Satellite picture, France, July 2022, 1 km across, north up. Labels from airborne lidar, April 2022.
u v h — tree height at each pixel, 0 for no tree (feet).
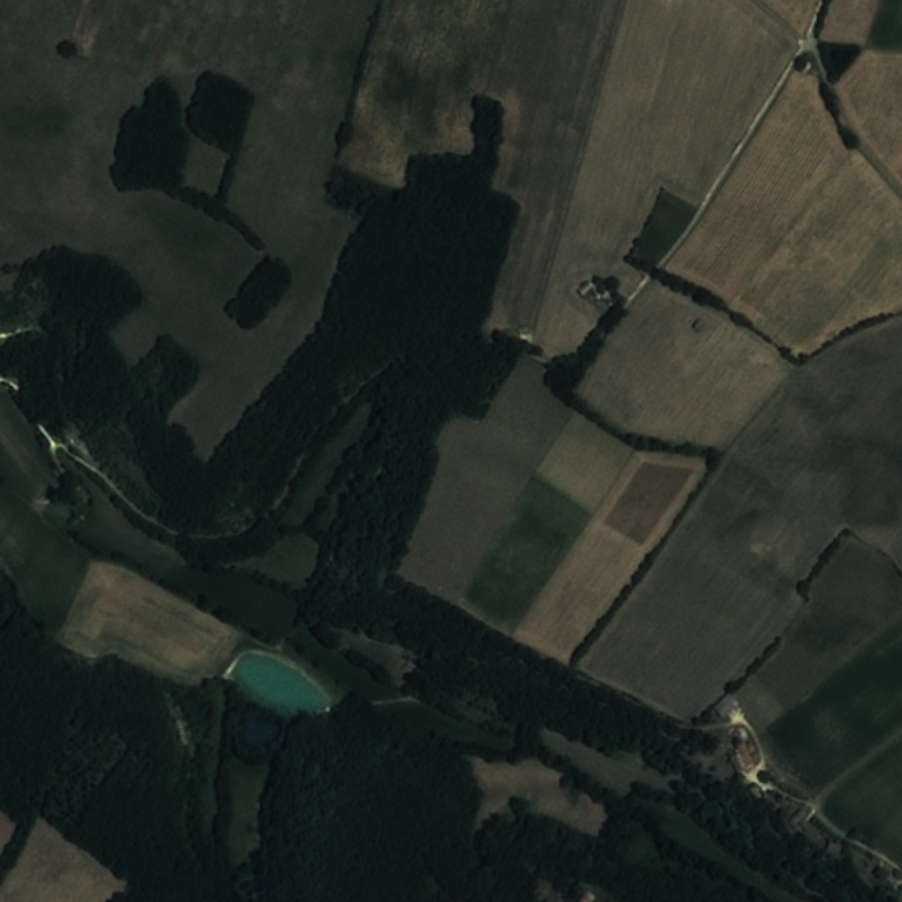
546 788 0
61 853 0
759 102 0
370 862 46
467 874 55
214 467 35
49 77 0
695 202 0
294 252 0
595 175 0
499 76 0
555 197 0
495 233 44
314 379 51
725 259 0
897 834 0
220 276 0
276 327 0
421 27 0
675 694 0
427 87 0
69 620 0
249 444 46
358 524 49
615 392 0
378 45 0
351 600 35
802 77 0
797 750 0
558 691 37
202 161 0
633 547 0
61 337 52
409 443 27
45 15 0
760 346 0
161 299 0
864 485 0
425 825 42
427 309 44
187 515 41
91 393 43
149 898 53
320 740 52
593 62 0
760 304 0
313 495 0
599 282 31
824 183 0
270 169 0
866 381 0
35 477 0
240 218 33
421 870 20
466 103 0
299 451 76
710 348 0
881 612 0
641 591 0
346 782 33
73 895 0
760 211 0
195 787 48
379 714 29
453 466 0
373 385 35
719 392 0
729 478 0
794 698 0
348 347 44
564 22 0
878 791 0
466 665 60
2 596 36
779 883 52
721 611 0
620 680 0
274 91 0
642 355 0
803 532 0
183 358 34
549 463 0
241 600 0
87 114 0
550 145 0
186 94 0
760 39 0
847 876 53
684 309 0
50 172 0
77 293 62
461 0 0
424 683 49
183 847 58
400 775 45
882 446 0
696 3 0
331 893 28
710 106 0
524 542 0
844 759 0
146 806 36
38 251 0
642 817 48
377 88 0
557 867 51
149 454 39
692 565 0
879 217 0
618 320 39
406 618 65
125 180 46
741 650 0
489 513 0
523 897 42
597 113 0
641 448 42
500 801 0
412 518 33
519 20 0
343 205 46
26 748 49
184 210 0
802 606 0
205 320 0
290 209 0
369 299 56
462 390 38
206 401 0
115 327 26
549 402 0
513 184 0
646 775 0
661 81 0
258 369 0
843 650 0
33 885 0
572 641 0
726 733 0
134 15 0
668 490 0
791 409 0
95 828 58
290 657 0
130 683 52
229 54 0
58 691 38
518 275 0
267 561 0
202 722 30
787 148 0
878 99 0
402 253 61
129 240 0
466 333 37
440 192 43
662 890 77
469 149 0
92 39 0
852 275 0
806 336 0
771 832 18
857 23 0
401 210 73
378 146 0
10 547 0
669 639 0
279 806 57
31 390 59
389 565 22
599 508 0
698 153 0
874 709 0
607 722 56
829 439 0
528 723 74
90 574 0
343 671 0
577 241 0
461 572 0
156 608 0
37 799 49
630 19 0
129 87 0
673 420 0
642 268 33
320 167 0
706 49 0
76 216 0
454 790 55
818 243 0
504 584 0
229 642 0
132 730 32
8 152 0
